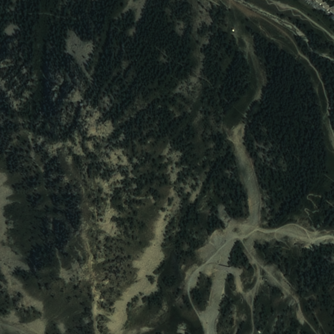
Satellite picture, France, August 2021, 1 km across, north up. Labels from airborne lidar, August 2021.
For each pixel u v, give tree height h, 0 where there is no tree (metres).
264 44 27
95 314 0
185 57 11
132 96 13
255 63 0
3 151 16
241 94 18
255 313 10
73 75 8
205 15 0
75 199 11
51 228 0
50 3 7
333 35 0
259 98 0
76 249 0
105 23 23
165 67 8
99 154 0
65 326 0
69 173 0
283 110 22
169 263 0
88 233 0
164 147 0
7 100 11
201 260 0
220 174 17
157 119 13
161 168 16
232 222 0
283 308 0
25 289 0
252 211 0
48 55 15
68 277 0
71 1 10
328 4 9
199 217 21
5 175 0
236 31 0
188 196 13
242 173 0
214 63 13
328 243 0
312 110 28
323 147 22
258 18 0
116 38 16
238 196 17
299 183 23
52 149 0
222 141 27
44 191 0
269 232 0
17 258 0
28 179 15
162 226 0
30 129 12
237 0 0
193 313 0
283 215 13
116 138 9
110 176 12
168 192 0
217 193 8
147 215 0
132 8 0
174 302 0
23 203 0
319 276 9
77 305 0
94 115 0
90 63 18
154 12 12
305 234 0
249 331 0
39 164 0
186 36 16
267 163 16
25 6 19
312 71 0
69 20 11
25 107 8
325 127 0
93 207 0
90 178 12
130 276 0
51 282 0
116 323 0
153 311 0
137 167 15
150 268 0
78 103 0
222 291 0
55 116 16
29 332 0
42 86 0
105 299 7
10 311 0
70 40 0
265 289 0
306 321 0
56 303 0
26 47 12
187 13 6
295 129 28
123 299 0
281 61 32
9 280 0
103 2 10
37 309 0
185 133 6
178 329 0
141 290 0
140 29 10
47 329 0
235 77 22
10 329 0
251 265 13
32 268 12
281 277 0
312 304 8
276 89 27
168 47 19
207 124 8
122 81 17
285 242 0
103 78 14
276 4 0
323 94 0
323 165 20
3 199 0
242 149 0
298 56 0
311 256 13
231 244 0
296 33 0
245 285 0
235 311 0
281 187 14
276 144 19
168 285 6
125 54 11
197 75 0
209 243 0
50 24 6
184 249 0
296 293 0
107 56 12
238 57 25
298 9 0
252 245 0
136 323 0
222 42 23
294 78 28
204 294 0
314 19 0
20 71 9
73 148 0
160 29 12
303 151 20
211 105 15
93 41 11
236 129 0
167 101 12
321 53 0
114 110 19
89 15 16
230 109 18
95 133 0
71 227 0
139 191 16
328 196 22
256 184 0
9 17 13
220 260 0
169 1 14
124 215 0
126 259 12
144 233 0
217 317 0
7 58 7
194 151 14
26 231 0
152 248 0
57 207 15
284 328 10
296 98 31
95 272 0
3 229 0
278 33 0
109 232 0
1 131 16
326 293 15
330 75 22
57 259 0
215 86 14
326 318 0
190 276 0
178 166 20
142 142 19
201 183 0
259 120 16
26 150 0
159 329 0
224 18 14
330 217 20
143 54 15
